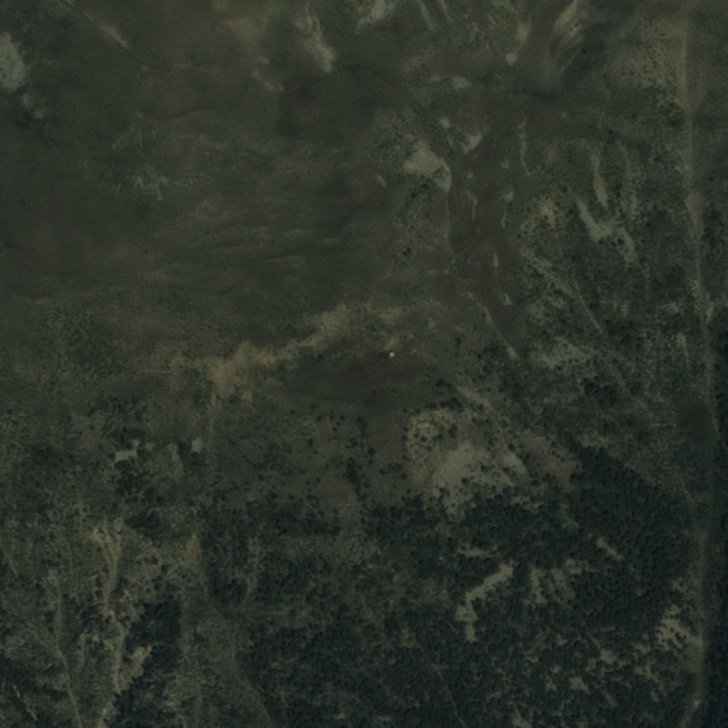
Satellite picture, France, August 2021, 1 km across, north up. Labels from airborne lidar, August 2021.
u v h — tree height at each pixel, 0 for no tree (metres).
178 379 0
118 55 0
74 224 0
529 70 0
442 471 0
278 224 0
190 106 0
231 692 0
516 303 0
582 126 0
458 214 0
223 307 0
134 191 0
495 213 0
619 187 9
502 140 0
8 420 0
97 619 7
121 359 0
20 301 0
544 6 0
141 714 10
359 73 0
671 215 0
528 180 0
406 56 0
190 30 0
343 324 0
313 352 0
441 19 0
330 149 0
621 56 0
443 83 0
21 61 0
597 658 12
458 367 0
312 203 0
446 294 0
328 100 0
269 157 0
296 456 0
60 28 0
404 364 0
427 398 0
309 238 0
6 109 0
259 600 9
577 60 0
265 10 0
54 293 0
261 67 0
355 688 12
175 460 0
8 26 0
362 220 0
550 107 0
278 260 0
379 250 0
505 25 0
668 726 16
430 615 8
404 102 0
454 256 0
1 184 0
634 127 0
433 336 0
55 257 0
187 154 0
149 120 0
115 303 0
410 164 0
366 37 0
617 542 11
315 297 0
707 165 0
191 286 0
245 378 0
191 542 0
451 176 0
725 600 11
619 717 19
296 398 0
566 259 0
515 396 6
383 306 0
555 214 0
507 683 7
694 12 0
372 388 0
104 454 0
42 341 0
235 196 0
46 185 0
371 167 0
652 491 10
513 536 9
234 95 0
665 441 0
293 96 0
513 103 0
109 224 0
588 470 10
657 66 0
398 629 11
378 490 0
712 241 7
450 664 13
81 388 0
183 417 0
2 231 0
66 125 0
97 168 0
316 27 0
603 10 0
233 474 0
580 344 0
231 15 0
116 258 0
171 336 0
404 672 8
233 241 0
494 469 0
